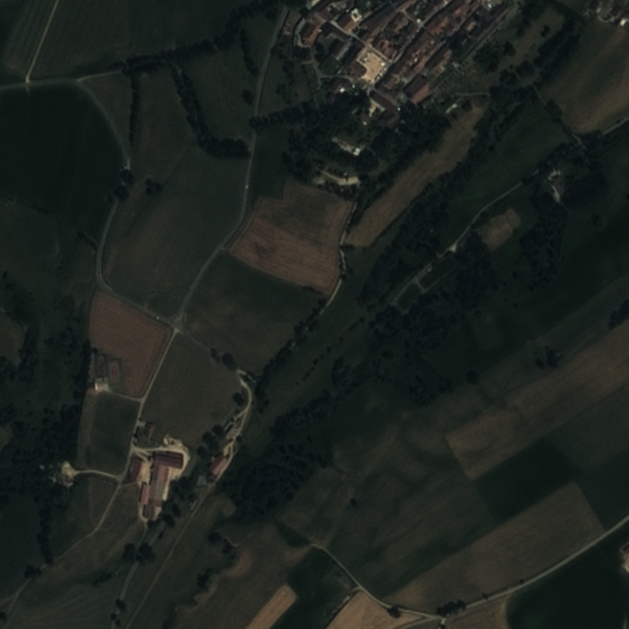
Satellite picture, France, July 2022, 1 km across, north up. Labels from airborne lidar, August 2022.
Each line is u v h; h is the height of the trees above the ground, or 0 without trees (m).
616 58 0
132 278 0
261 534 0
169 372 0
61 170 0
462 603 13
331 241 0
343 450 0
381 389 0
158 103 0
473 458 0
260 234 0
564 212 26
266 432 0
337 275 0
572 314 0
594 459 0
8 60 0
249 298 0
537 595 0
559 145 0
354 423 0
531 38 0
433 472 0
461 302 29
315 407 19
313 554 0
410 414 0
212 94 0
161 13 0
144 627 0
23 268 0
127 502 0
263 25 0
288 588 0
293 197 0
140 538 0
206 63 0
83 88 0
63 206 0
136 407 0
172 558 0
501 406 0
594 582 0
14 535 0
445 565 0
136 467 0
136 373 0
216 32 0
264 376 11
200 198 0
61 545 0
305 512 0
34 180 0
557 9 5
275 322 0
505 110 7
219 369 0
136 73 18
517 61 0
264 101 0
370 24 0
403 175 0
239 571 0
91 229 0
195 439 0
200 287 0
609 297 0
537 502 0
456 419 0
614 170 0
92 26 0
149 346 0
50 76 0
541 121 0
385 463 0
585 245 0
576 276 0
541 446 0
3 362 12
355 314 0
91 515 0
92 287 0
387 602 0
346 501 0
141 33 0
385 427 0
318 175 8
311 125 19
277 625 0
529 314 0
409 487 0
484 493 0
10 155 0
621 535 0
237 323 0
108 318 0
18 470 8
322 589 0
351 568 0
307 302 0
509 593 0
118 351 0
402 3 0
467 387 0
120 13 0
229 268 0
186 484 21
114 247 0
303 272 0
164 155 0
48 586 0
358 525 0
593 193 36
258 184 0
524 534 0
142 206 0
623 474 0
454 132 0
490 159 0
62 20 0
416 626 0
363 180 14
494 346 0
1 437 0
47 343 10
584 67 0
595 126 0
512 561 0
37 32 0
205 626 0
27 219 0
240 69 0
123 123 0
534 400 0
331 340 0
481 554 0
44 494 7
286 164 14
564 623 0
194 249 0
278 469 17
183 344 0
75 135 0
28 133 0
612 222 0
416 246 21
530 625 0
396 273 21
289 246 0
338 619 0
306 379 6
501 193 0
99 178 0
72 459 7
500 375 0
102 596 0
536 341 0
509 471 0
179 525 0
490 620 0
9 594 0
